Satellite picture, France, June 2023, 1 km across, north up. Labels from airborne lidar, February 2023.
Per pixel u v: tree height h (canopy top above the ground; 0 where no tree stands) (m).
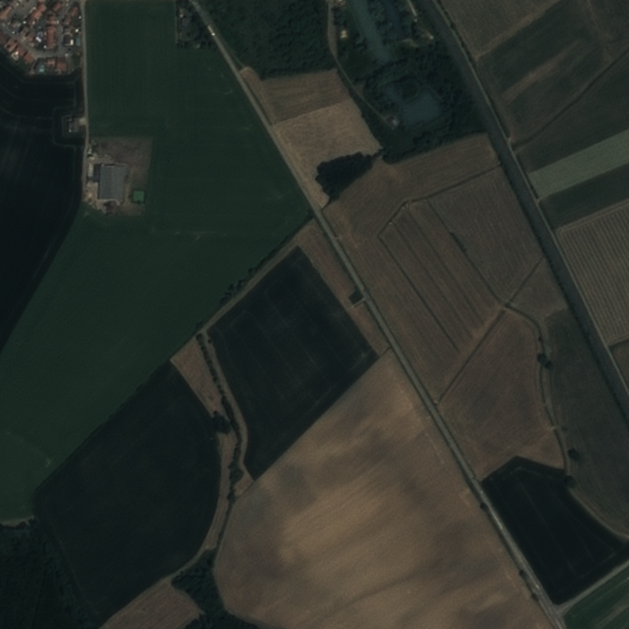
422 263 0
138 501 0
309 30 8
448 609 0
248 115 0
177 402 0
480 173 0
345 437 0
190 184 0
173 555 0
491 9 0
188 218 0
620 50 0
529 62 0
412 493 0
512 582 0
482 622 0
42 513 0
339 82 0
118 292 0
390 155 7
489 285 0
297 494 0
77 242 0
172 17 0
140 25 0
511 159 0
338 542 0
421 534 0
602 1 0
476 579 0
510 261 0
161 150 0
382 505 0
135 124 0
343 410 0
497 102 0
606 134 0
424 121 0
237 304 0
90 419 0
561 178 0
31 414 0
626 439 0
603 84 0
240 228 0
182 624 0
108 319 0
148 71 0
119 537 0
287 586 0
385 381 0
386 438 0
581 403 0
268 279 0
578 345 0
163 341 0
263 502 0
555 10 0
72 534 0
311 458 0
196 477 0
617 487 0
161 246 0
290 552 0
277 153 0
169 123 0
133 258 0
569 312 0
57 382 0
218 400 0
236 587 0
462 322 0
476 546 0
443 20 0
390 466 0
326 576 0
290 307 0
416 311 0
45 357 0
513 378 0
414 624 0
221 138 0
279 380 0
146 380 0
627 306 0
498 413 0
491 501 0
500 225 0
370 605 0
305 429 0
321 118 0
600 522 0
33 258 0
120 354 0
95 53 0
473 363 0
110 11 0
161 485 0
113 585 0
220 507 0
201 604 15
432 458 0
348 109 0
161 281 0
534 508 0
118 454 0
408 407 0
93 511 0
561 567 0
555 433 0
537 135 0
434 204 0
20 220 0
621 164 0
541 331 0
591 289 0
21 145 0
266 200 0
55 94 0
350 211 0
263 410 0
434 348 0
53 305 0
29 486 0
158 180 0
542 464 0
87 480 0
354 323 0
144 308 0
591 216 0
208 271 0
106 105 0
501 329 0
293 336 0
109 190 0
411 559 0
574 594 0
